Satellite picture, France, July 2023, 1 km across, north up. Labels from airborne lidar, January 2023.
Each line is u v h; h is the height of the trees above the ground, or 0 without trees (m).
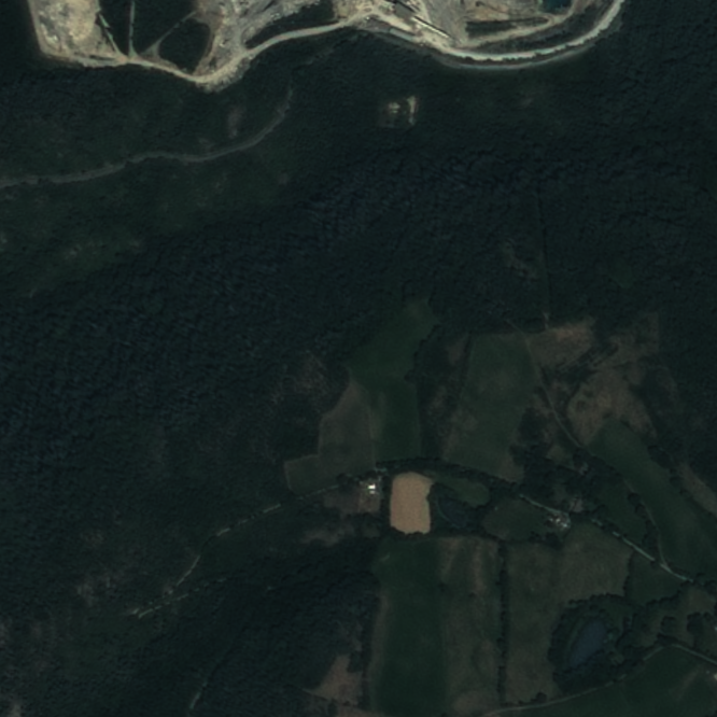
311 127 9
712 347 20
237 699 14
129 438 15
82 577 8
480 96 8
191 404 24
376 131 14
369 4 0
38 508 15
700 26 26
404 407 0
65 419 17
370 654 10
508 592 7
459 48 0
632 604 8
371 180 24
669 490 0
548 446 11
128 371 17
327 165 19
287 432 8
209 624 21
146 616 5
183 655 23
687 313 16
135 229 10
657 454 15
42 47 0
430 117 8
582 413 0
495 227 22
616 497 0
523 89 7
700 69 31
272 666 13
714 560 0
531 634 0
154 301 16
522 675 0
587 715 0
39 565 12
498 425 0
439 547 0
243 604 22
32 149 8
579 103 13
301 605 6
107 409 22
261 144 8
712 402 10
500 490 15
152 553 6
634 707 0
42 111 19
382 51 17
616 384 0
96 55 0
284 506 11
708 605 0
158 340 25
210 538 9
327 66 14
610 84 10
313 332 8
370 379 0
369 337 9
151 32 7
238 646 11
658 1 27
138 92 10
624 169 25
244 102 6
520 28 0
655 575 0
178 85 7
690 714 0
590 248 20
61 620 7
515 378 0
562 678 12
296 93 14
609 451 0
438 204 21
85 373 12
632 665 11
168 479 6
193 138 10
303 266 21
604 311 10
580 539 0
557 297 14
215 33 0
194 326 25
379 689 0
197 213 8
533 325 12
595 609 8
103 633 9
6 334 11
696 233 22
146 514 9
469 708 0
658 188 25
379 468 8
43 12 0
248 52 0
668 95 26
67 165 6
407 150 23
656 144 23
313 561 7
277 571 7
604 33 7
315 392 7
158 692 23
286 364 7
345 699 0
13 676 13
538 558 0
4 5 9
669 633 17
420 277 11
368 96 13
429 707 0
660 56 22
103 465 18
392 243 10
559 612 0
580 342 0
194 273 8
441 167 24
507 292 10
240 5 0
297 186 18
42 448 7
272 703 10
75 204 10
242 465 14
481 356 0
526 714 0
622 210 18
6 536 6
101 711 16
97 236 13
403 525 0
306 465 0
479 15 0
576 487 11
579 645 0
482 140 20
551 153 19
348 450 0
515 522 0
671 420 0
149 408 13
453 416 0
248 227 21
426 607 0
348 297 23
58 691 18
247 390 14
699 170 23
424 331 0
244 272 12
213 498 14
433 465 15
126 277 14
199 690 11
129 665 23
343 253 17
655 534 14
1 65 17
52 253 13
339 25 0
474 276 13
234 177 7
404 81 13
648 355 0
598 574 0
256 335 14
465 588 0
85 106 12
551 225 19
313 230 21
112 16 13
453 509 10
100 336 22
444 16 0
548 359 0
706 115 19
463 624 0
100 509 12
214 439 8
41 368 12
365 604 12
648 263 10
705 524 0
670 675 0
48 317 7
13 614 10
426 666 0
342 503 0
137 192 17
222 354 7
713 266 22
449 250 13
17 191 7
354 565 8
